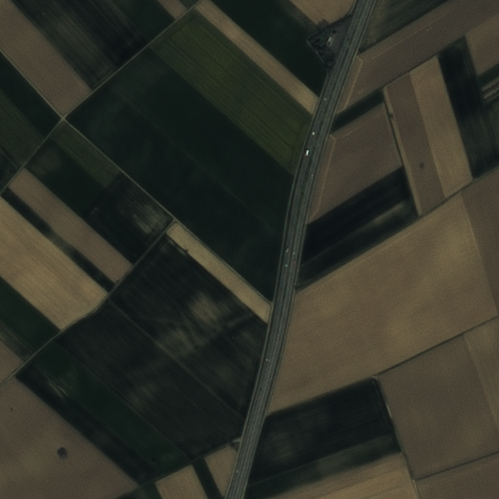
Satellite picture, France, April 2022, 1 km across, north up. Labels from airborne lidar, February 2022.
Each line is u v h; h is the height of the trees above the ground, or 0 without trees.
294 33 0
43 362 0
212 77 0
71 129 0
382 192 0
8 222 0
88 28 0
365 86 0
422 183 0
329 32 22
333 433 0
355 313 0
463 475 0
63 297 0
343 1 0
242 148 0
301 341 0
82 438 0
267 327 0
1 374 0
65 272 0
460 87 0
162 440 0
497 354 0
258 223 0
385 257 0
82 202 0
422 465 0
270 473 0
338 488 0
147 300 0
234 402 0
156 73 0
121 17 0
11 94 0
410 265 0
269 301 0
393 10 0
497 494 0
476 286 0
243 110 0
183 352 0
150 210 0
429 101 0
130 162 0
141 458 0
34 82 0
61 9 0
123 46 0
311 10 0
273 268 0
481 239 0
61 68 0
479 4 0
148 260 0
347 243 0
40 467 0
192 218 0
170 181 0
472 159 0
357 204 0
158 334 0
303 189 0
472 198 0
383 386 0
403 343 0
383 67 0
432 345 0
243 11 0
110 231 0
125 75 0
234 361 0
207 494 0
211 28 0
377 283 0
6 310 0
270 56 0
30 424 0
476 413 0
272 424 0
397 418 0
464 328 0
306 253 0
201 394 0
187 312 0
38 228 0
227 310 0
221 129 0
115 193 0
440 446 0
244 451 0
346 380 0
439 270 0
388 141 0
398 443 0
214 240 0
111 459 0
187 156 0
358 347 0
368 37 0
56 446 0
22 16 0
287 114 0
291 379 0
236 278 0
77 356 0
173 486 0
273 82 0
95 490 0
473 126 0
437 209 0
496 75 0
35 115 0
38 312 0
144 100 0
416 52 0
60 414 0
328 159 0
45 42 0
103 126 0
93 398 0
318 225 0
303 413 0
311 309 0
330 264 0
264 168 0
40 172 0
